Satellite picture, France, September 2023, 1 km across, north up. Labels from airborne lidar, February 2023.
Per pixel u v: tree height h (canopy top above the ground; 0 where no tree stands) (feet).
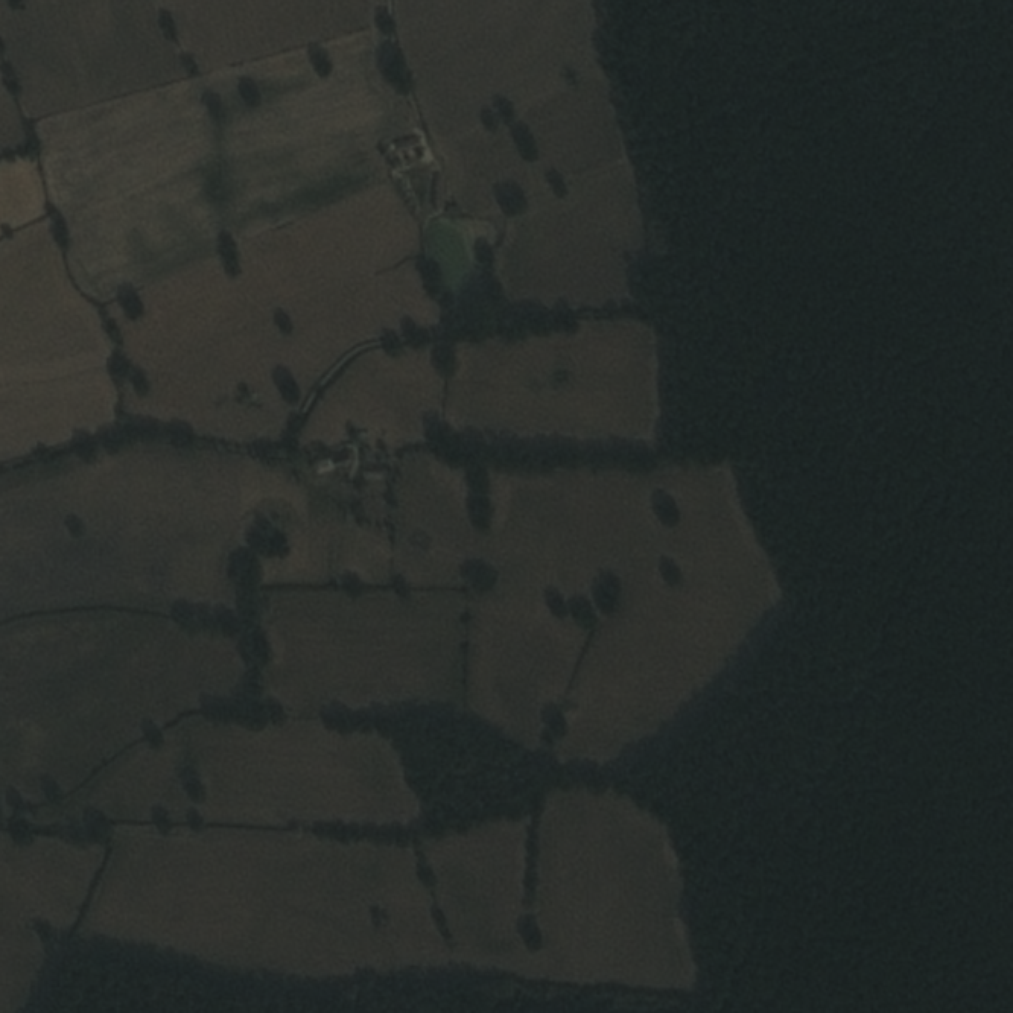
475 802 55
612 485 0
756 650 81
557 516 0
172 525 0
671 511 75
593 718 0
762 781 106
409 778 47
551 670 0
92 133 0
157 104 0
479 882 0
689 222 88
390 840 37
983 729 96
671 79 84
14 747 0
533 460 55
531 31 0
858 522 108
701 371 87
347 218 0
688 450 84
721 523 0
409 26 0
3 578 0
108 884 0
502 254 0
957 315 102
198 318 0
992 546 104
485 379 0
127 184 0
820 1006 92
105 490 0
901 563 77
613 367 0
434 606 0
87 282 0
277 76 0
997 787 106
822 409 105
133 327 0
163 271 0
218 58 0
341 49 0
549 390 0
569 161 0
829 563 101
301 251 0
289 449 76
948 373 97
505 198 59
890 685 98
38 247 0
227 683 0
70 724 0
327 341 0
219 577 0
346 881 0
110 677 0
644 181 50
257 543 56
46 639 0
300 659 0
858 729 96
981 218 98
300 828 25
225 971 0
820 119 95
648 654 0
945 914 99
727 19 102
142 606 0
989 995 95
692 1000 29
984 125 94
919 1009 92
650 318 42
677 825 87
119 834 0
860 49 86
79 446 66
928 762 102
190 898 0
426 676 0
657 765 73
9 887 0
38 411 0
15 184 0
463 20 0
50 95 0
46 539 0
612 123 0
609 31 71
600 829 0
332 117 0
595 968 0
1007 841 100
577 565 0
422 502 0
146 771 0
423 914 0
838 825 100
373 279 0
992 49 95
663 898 0
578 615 51
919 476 95
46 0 0
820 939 80
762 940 86
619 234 0
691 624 0
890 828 96
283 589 0
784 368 81
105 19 0
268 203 0
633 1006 31
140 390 49
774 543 87
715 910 93
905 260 98
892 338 95
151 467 0
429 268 61
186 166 0
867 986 99
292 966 0
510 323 73
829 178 97
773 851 99
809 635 98
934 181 94
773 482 86
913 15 104
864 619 94
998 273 89
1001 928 102
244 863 0
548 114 0
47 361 0
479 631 0
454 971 0
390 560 0
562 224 0
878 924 94
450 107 0
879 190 95
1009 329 83
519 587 0
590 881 0
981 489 102
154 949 0
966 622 106
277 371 0
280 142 0
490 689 0
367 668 0
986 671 100
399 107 0
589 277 0
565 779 34
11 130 0
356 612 0
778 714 105
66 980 96
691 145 91
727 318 99
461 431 0
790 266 99
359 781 0
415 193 0
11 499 0
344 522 0
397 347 40
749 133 98
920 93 91
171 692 0
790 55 87
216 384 0
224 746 0
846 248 94
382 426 0
